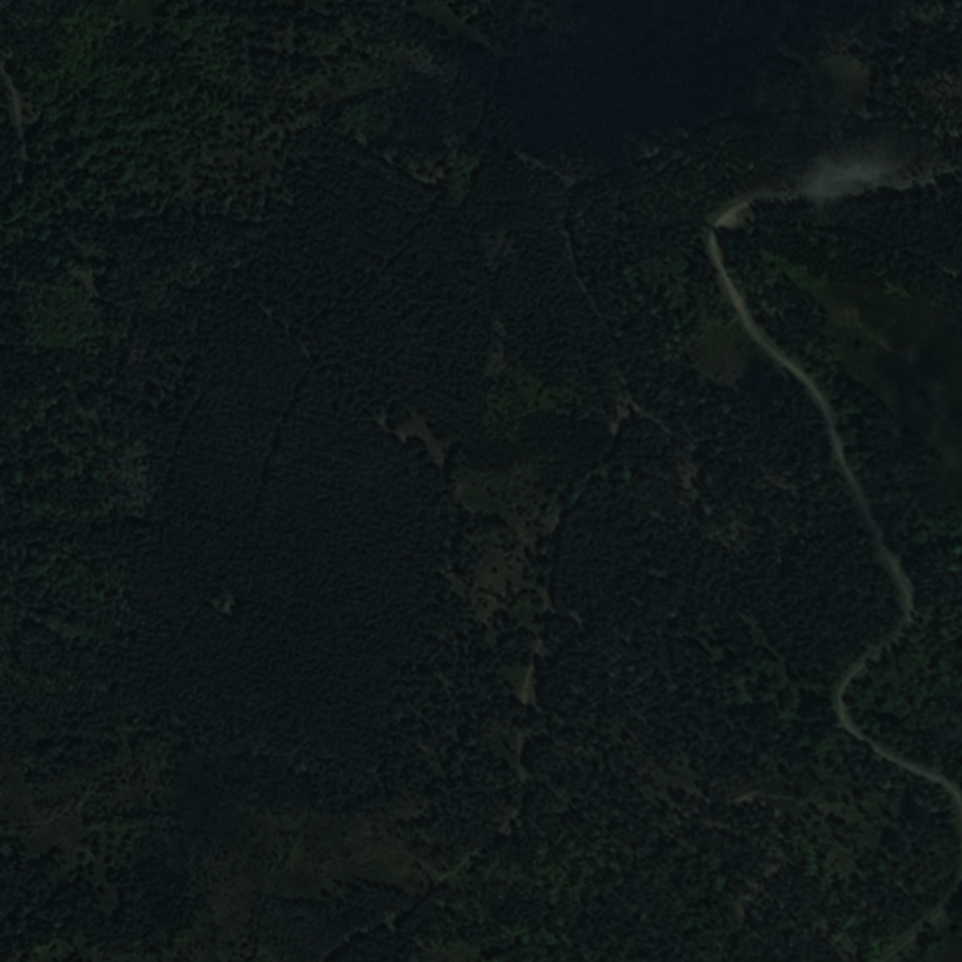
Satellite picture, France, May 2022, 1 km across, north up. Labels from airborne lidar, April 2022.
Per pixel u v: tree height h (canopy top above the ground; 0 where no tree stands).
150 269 22
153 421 23
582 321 17
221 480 18
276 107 6
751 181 19
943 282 22
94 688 21
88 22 12
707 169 25
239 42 19
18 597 25
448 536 16
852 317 0
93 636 17
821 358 22
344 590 16
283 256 15
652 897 26
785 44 11
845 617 27
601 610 18
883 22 22
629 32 21
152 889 9
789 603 26
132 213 13
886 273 26
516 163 17
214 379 15
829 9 25
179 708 20
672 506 26
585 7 20
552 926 20
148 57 17
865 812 26
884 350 0
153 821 18
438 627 20
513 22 7
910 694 29
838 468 9
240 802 20
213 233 18
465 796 20
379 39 20
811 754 27
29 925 18
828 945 29
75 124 14
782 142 20
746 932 30
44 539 21
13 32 17
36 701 22
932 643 24
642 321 21
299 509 20
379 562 16
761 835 28
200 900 6
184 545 22
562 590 18
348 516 16
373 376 13
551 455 11
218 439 21
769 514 39
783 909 27
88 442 21
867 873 23
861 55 17
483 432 14
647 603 23
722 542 21
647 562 24
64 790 0
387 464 20
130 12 0
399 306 16
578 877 23
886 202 23
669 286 21
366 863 0
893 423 27
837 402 9
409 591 17
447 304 18
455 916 24
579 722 20
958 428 0
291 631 21
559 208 19
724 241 26
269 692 22
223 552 20
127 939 18
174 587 21
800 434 28
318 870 0
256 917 9
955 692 34
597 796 29
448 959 0
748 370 0
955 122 5
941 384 0
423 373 18
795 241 15
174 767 7
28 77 12
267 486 19
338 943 18
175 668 22
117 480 21
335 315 18
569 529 16
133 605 19
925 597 26
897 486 14
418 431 0
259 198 14
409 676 19
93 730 18
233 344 18
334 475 16
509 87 20
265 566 21
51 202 6
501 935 23
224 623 21
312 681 19
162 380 21
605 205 23
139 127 16
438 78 21
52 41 19
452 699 18
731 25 23
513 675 0
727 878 25
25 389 24
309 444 17
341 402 17
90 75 16
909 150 24
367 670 21
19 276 21
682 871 27
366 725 17
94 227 23
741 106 19
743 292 17
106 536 21
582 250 22
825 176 19
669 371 22
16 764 22
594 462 13
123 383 23
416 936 14
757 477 27
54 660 20
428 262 17
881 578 26
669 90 18
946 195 18
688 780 0
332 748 18
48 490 20
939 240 21
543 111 18
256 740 22
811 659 31
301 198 11
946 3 25
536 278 16
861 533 29
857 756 21
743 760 30
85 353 21
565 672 21
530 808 25
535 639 14
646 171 24
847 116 12
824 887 22
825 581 29
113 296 22
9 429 26
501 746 0
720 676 29
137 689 22
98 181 14
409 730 15
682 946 28
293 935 13
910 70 18
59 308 22
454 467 17
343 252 16
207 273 16
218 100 10
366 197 16
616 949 27
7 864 28
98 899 20
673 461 23
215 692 20
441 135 20
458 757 21
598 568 20
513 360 13
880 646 6
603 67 16
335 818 20
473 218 13
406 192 14
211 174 9
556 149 16
